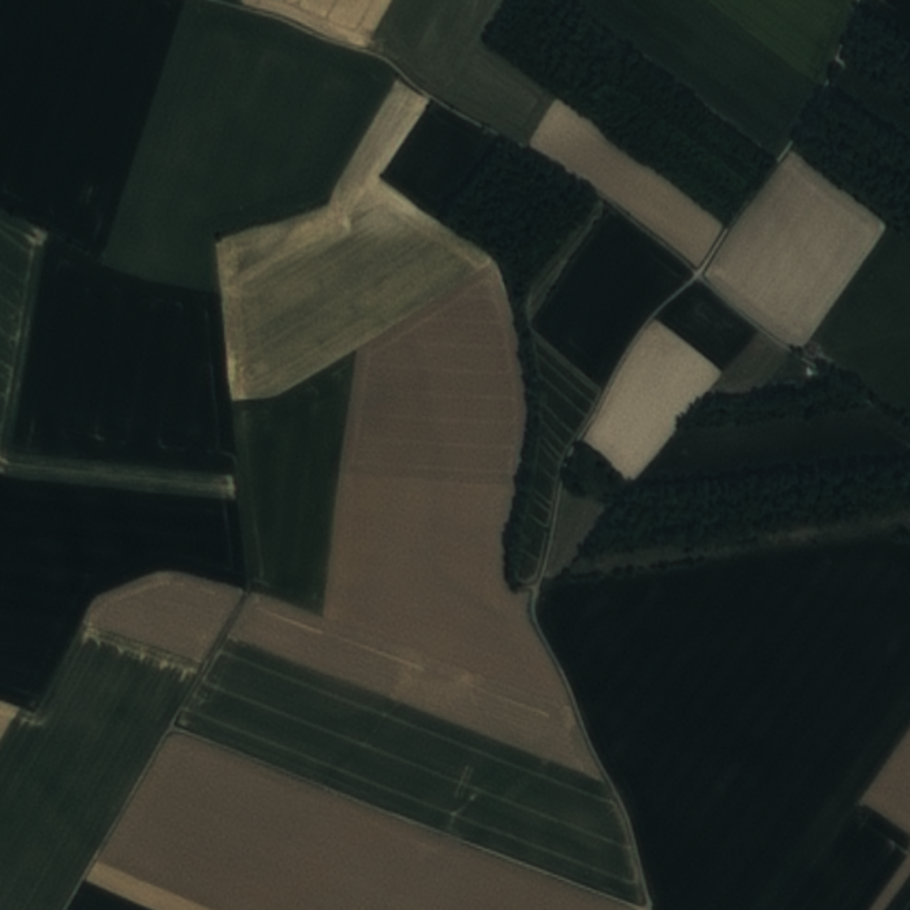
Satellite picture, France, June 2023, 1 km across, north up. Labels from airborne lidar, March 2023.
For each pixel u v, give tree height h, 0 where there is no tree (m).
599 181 0
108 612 0
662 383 0
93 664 0
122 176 0
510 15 14
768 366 0
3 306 0
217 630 0
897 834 0
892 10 0
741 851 0
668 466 0
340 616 0
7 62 0
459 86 0
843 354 0
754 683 0
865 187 20
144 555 0
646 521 10
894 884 0
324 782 0
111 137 0
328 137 0
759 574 0
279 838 0
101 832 0
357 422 0
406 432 0
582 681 0
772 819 0
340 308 0
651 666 0
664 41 0
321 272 0
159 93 0
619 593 0
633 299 0
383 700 0
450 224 12
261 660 0
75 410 0
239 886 0
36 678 0
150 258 0
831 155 21
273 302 0
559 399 0
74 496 0
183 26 0
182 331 0
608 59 19
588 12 16
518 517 13
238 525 0
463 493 0
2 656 0
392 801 0
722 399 14
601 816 0
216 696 0
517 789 0
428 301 0
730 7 0
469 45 0
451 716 0
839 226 0
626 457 0
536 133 0
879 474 25
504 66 0
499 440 0
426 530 0
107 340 0
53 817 0
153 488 0
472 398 0
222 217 0
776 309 0
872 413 0
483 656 0
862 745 0
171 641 0
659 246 0
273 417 0
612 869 0
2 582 0
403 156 0
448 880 0
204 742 0
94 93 0
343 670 0
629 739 0
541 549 0
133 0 0
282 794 0
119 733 0
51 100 0
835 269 0
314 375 0
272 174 0
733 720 0
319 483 0
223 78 0
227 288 0
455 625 0
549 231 14
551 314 0
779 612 0
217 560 0
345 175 0
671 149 12
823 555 0
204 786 0
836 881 0
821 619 0
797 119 0
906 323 0
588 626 0
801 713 0
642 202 0
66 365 0
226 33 0
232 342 0
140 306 0
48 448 0
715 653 0
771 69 0
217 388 0
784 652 0
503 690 0
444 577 0
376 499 0
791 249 0
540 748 0
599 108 9
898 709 0
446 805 0
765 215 0
